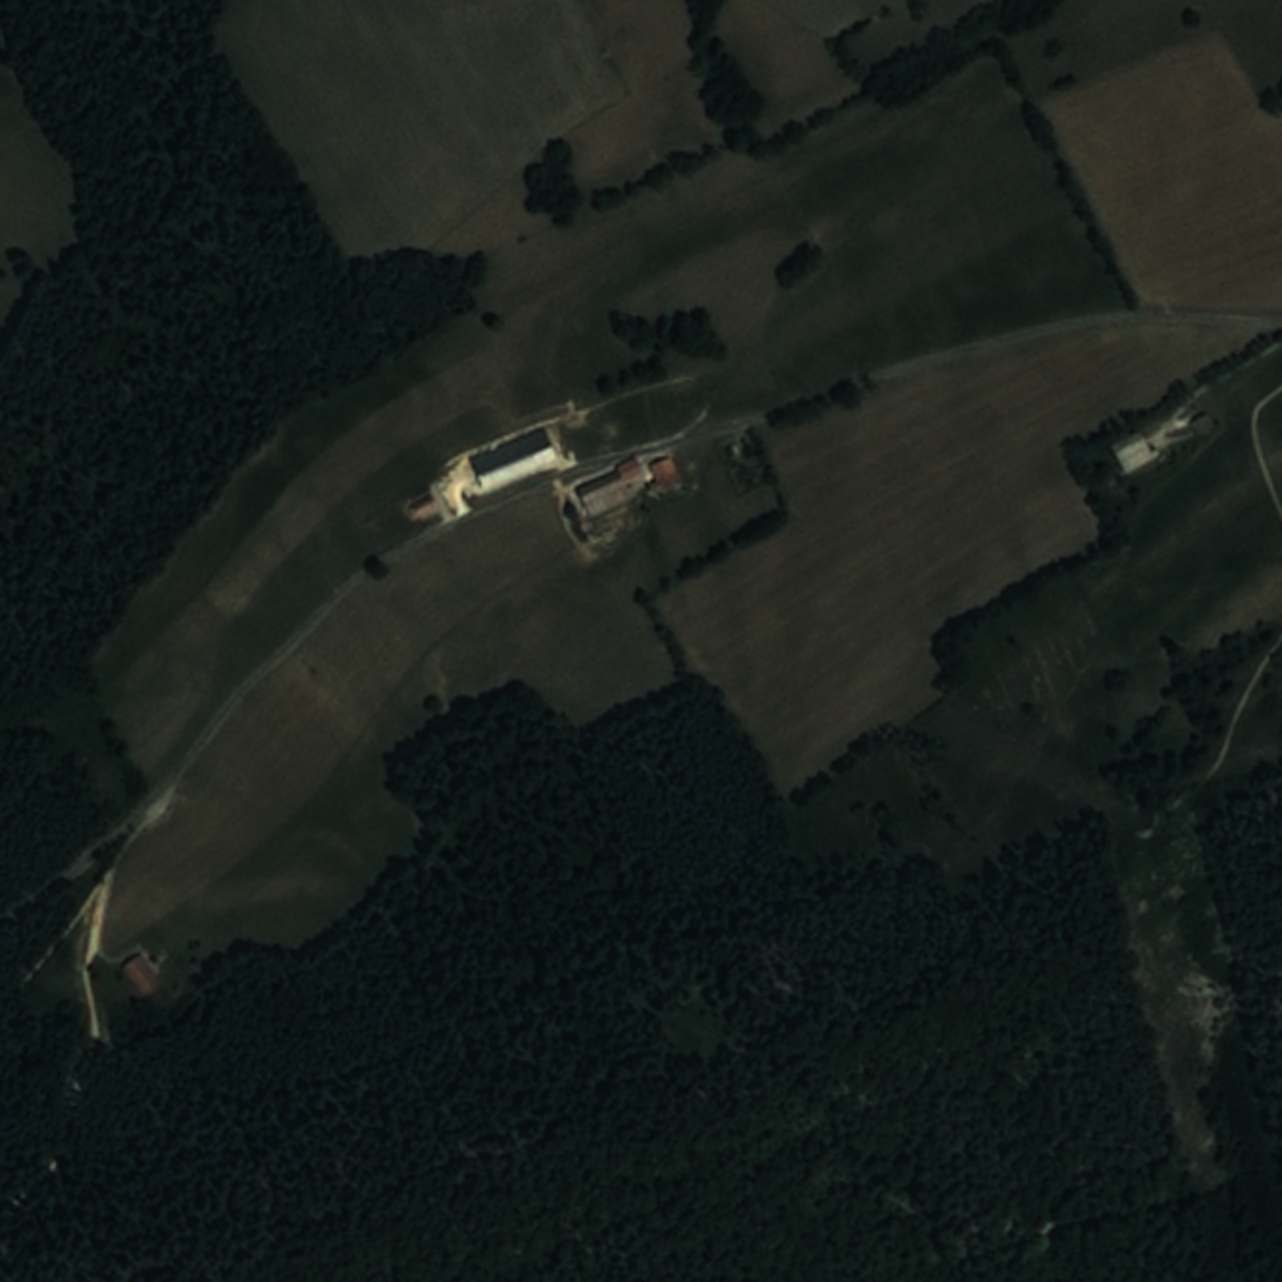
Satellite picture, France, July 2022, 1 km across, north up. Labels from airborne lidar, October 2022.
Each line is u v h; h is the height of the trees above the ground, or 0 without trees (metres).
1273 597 0
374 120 0
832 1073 18
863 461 0
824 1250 26
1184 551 0
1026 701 0
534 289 0
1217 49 0
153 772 0
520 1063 17
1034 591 22
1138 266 0
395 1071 28
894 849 25
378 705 0
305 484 0
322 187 0
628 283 0
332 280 21
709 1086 29
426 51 0
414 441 0
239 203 16
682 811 24
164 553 21
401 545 0
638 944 34
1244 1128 9
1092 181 0
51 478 17
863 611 0
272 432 22
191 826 0
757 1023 21
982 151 0
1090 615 0
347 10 0
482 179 0
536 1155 28
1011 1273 14
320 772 0
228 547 0
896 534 0
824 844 0
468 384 0
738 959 16
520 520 0
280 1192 23
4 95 0
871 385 17
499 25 0
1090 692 0
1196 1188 12
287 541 0
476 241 0
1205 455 0
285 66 0
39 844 19
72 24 20
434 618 0
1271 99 18
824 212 0
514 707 17
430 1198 21
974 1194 27
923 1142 13
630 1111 28
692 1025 0
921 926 35
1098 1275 27
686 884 30
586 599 0
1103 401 0
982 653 0
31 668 29
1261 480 0
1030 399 0
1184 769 14
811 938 32
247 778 0
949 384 0
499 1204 20
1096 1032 26
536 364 0
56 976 0
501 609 0
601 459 0
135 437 23
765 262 0
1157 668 0
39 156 0
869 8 0
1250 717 0
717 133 0
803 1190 21
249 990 19
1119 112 0
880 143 0
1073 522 0
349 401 0
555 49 0
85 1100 27
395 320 17
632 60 0
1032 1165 28
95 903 0
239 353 21
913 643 0
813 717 0
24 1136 24
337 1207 22
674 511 0
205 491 16
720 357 24
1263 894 21
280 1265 19
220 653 0
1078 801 0
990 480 0
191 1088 18
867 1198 34
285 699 0
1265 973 26
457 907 36
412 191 0
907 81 19
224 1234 30
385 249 0
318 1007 18
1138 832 0
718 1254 25
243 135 19
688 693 23
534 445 0
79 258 18
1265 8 0
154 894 0
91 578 20
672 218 0
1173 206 0
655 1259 30
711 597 0
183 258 24
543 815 18
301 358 20
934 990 26
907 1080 21
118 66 17
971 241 0
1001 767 0
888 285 0
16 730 6
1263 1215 6
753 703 0
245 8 0
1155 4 0
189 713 0
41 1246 14
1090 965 30
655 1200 7
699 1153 21
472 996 16
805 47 0
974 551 0
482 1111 22
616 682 0
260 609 0
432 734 15
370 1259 28
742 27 0
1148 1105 23
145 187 17
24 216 0
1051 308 0
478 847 20
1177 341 0
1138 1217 28
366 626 0
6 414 16
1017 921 30
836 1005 27
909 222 0
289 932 0
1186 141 0
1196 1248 18
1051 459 0
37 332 19
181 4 14
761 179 0
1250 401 0
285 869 0
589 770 31
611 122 0
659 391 0
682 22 0
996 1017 26
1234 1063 7
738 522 0
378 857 0
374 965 23
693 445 0
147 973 0
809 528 0
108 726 11
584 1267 25
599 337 0
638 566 0
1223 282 0
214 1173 32
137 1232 24
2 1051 22
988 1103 19
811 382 0
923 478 0
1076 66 0
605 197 15
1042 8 10
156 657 0
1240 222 0
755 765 27
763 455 12
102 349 25
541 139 0
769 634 0
